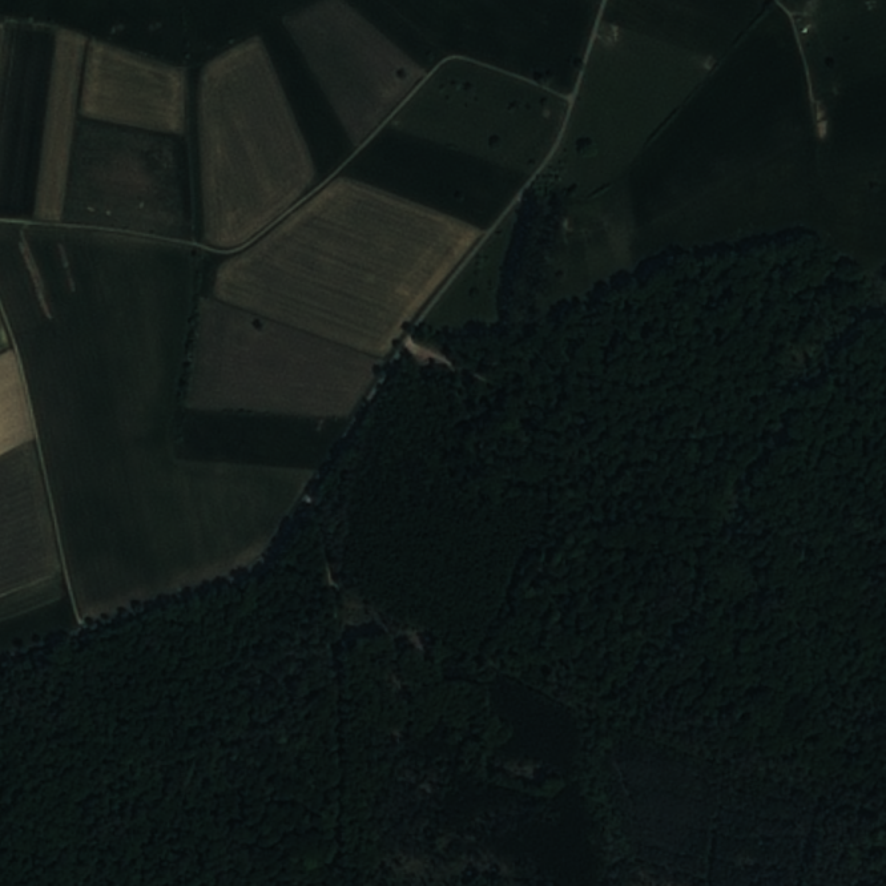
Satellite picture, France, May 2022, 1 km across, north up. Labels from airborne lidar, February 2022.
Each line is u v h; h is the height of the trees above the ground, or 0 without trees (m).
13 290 0
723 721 33
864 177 0
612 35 0
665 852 17
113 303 0
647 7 0
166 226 0
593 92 0
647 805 18
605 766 15
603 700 24
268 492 0
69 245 0
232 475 0
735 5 0
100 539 0
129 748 27
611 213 0
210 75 0
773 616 25
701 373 28
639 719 18
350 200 0
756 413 29
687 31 0
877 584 33
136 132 0
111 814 26
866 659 27
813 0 0
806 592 27
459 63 0
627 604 30
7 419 0
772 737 28
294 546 28
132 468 0
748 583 14
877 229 0
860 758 25
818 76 0
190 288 0
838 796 17
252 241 0
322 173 0
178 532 0
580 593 28
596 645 27
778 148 0
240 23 0
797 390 27
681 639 30
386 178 0
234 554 0
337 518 26
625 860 17
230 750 24
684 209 0
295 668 29
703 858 12
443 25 0
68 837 22
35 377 0
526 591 26
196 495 0
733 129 0
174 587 0
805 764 21
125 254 0
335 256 0
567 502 30
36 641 13
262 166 0
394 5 0
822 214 0
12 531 0
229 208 0
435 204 0
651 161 0
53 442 0
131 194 0
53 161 0
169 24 0
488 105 0
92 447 0
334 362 0
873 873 26
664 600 29
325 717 27
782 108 0
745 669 26
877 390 23
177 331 0
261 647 24
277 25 0
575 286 0
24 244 0
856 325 27
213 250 0
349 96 0
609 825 22
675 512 26
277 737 29
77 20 0
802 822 16
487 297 0
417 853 23
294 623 23
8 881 20
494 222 0
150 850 21
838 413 26
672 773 17
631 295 22
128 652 20
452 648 17
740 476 27
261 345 0
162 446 0
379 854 24
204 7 0
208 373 0
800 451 27
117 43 0
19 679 28
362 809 24
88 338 0
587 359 30
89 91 0
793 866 14
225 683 27
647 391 29
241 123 0
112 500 0
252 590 21
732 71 0
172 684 21
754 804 19
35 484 0
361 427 16
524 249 30
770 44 0
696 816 17
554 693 26
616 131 0
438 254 0
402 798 26
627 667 19
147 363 0
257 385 0
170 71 0
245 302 0
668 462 27
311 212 0
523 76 0
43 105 0
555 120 0
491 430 36
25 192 0
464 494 31
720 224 0
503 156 0
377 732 27
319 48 0
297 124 0
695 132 0
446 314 0
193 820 24
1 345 0
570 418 27
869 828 25
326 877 29
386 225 0
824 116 0
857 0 0
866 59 0
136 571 0
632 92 0
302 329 0
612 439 29
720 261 27
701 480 27
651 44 0
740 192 0
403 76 10
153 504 0
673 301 28
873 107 0
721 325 28
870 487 27
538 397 31
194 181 0
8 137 0
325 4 0
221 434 0
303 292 0
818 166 0
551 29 0
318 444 0
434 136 0
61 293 0
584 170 0
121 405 0
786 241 22
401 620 18
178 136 0
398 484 18
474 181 0
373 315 0
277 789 32
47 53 0
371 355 0
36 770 26
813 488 27
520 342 28
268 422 0
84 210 0
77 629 0
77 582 0
